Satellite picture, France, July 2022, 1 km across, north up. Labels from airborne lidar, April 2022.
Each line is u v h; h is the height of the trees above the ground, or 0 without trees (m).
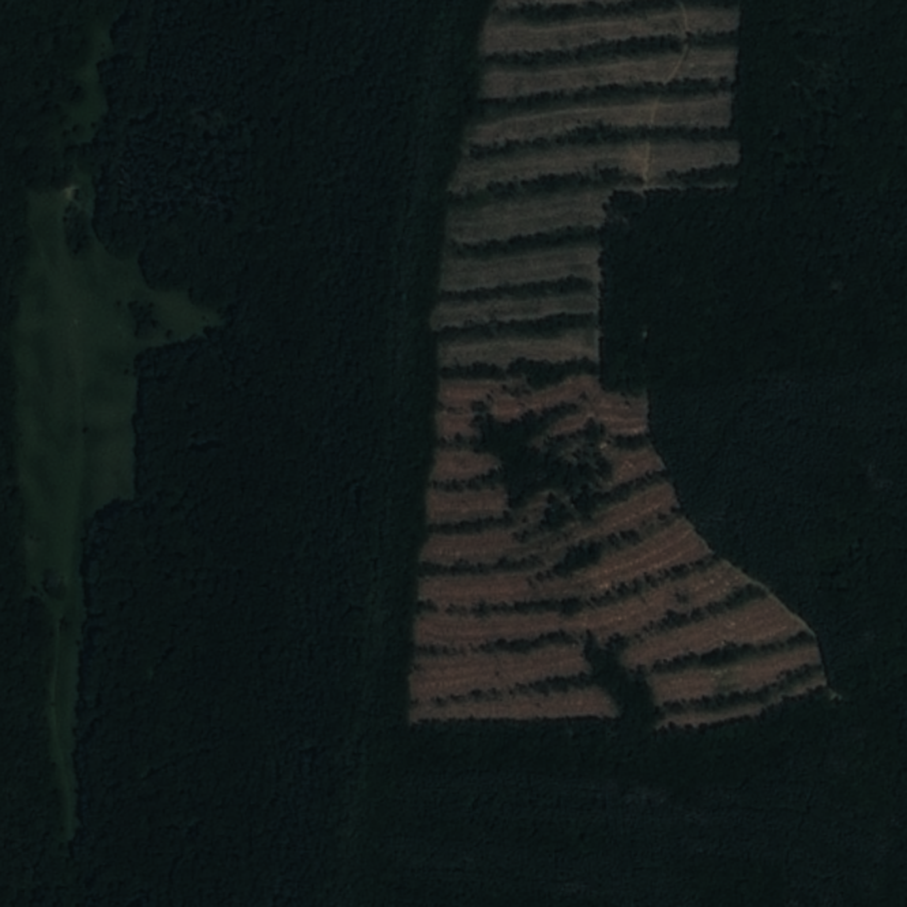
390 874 15
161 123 18
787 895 17
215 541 29
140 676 31
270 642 24
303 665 14
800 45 19
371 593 19
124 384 0
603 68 0
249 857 22
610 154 0
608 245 16
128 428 0
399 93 21
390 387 16
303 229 21
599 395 19
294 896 18
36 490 0
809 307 23
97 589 25
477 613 14
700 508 21
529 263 0
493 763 14
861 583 18
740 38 13
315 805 21
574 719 18
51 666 8
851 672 15
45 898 22
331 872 16
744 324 23
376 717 11
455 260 0
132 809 30
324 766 21
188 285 18
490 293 17
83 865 18
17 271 13
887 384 12
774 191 16
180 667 26
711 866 21
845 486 16
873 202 26
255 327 26
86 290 0
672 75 0
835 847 18
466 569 16
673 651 23
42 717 19
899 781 17
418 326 11
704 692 24
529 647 12
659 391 15
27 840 20
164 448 29
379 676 9
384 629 8
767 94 16
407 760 10
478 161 14
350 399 17
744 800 19
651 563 23
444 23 8
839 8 22
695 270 16
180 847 28
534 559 17
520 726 13
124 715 28
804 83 22
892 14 18
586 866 20
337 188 16
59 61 8
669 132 14
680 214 15
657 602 23
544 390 18
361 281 21
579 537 23
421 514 15
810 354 21
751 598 15
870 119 19
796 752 18
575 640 15
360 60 15
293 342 24
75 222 9
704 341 14
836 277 21
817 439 20
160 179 24
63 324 0
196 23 21
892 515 12
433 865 12
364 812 6
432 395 16
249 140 23
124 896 28
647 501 19
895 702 18
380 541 13
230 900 24
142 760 26
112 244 20
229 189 25
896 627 20
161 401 28
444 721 18
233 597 28
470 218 0
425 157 7
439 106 7
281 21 27
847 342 18
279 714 19
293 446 26
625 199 18
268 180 25
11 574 22
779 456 24
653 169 0
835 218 24
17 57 19
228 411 30
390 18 18
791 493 24
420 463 14
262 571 29
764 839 22
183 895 30
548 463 16
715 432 14
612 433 18
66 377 0
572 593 20
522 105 16
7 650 22
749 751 18
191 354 19
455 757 13
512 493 16
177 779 24
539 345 0
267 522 27
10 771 17
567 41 0
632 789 20
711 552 21
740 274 19
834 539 16
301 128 20
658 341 17
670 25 0
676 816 23
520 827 12
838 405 18
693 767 23
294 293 27
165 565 28
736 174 12
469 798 13
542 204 0
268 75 20
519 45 0
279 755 17
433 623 18
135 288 0
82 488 0
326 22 21
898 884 17
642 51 9
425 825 11
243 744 24
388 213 16
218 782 24
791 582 16
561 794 18
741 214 18
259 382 29
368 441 21
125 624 29
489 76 0
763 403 22
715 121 0
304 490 19
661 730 22
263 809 26
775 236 24
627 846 13
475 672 19
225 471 31
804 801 21
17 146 28
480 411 18
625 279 16
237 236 23
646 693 21
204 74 25
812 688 18
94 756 31
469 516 17
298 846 16
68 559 0
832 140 22
